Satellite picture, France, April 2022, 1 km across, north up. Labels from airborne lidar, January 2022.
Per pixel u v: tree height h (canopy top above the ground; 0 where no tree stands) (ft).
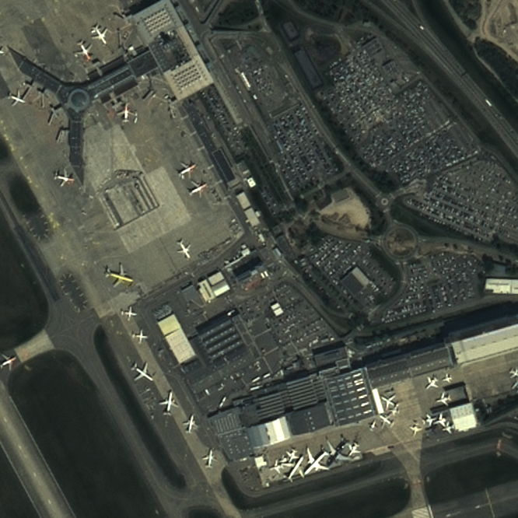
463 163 0
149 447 0
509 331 0
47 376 0
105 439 0
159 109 0
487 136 0
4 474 0
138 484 0
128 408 0
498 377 0
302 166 0
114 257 0
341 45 0
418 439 0
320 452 0
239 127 0
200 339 0
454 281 0
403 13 0
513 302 0
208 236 0
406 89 0
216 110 0
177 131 0
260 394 0
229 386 0
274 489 0
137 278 0
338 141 0
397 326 0
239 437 0
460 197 0
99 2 0
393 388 0
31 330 0
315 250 0
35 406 0
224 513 0
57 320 0
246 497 0
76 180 0
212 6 0
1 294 0
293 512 0
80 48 0
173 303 0
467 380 0
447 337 0
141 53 0
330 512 0
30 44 0
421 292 0
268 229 0
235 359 0
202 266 0
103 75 0
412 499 0
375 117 0
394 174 0
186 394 0
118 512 0
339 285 0
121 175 0
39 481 0
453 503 0
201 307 0
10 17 0
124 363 0
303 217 0
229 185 0
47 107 0
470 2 0
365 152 0
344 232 0
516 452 0
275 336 0
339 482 0
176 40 0
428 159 0
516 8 0
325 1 0
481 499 0
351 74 0
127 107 0
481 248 0
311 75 0
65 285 0
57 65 0
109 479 0
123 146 0
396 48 0
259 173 0
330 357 0
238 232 0
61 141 0
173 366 0
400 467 0
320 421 0
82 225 0
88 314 0
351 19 46
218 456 0
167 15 0
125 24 0
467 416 0
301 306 0
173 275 0
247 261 0
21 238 0
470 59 0
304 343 0
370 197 0
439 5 0
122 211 0
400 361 0
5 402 0
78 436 0
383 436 0
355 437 0
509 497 0
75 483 0
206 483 0
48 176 0
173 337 0
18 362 0
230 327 0
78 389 0
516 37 0
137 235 0
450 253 0
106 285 0
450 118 0
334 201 0
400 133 0
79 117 0
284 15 0
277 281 0
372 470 0
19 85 0
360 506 0
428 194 0
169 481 0
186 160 0
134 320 0
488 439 0
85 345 0
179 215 0
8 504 0
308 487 0
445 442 0
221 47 0
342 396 0
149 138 0
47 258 0
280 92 0
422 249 0
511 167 0
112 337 0
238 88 0
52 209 0
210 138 0
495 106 0
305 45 0
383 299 0
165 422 0
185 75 0
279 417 0
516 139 0
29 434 0
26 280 0
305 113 0
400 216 0
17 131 0
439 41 0
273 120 0
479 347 0
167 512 0
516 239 0
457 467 0
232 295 0
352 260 0
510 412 0
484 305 0
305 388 0
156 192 0
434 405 0
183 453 0
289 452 0
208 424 0
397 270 0
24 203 0
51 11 0
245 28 0
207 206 0
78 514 0
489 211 0
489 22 0
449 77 0
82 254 0
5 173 0
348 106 0
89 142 0
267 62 0
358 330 0
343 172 0
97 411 0
